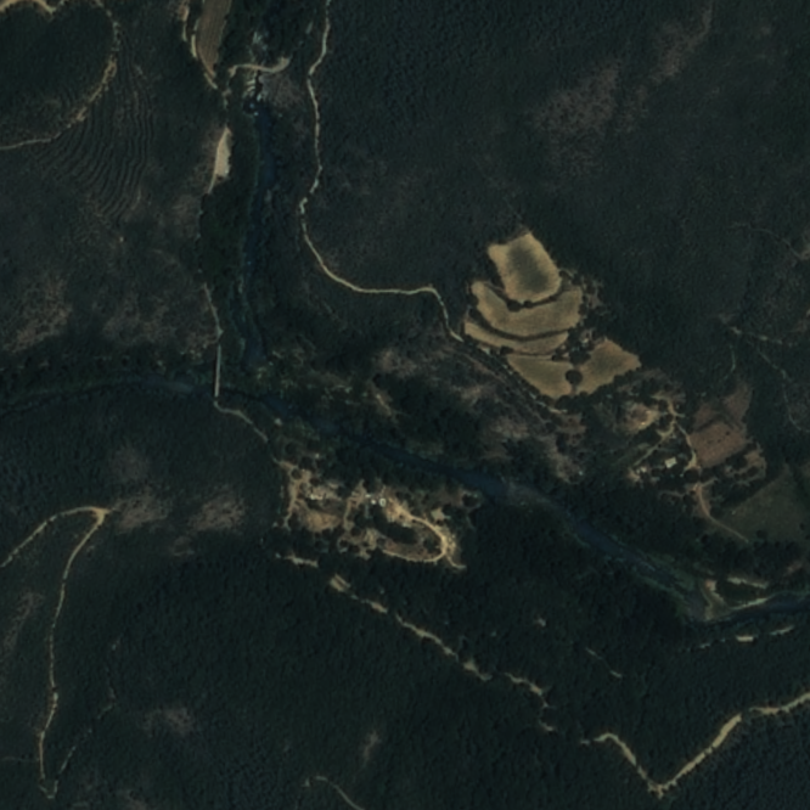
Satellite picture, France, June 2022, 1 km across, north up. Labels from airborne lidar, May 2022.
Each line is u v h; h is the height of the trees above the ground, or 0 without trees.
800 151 6
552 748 21
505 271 0
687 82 6
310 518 0
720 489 11
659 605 28
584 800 15
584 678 17
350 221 7
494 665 15
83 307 7
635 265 10
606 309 8
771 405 6
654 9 9
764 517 0
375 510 12
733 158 6
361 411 8
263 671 12
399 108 14
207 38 0
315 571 20
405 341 6
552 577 20
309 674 12
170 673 11
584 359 12
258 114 0
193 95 12
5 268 8
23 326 7
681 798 8
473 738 12
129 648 9
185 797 10
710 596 0
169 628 12
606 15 13
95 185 8
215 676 10
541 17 15
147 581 16
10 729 6
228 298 12
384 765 9
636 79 6
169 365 10
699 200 6
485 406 11
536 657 15
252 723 9
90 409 9
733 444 0
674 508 11
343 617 16
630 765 9
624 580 24
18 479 15
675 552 10
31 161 9
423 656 11
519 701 16
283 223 7
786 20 8
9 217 8
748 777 20
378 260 6
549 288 0
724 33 6
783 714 13
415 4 16
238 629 13
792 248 6
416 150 6
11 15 8
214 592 15
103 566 6
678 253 9
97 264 6
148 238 8
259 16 6
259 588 17
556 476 10
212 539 10
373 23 10
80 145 9
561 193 7
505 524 33
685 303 7
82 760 7
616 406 7
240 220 15
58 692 17
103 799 9
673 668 11
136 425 11
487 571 21
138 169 7
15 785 8
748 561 14
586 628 16
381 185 6
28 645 8
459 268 7
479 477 0
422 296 9
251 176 20
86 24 6
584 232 9
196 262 15
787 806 22
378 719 6
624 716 12
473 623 22
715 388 10
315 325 15
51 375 22
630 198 7
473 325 0
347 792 13
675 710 16
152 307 9
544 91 7
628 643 16
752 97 8
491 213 6
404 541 6
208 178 9
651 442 11
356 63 9
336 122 11
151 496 5
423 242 7
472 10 12
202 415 9
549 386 0
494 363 9
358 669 12
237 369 19
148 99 7
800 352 7
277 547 14
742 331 7
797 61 11
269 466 9
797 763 19
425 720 17
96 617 10
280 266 11
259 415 19
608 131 7
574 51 9
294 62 6
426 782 11
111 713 9
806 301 9
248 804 16
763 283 8
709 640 10
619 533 8
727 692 12
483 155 6
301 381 5
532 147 7
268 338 7
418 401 27
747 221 6
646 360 14
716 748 8
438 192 9
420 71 15
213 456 6
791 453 14
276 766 10
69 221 7
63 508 7
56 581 6
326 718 12
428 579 21
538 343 0
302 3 16
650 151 7
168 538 6
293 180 9
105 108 8
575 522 0
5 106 8
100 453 9
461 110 6
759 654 12
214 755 7
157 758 7
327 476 13
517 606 16
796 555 16
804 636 13
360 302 8
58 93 8
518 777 18
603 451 9
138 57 10
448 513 19
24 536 6
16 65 8
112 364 21
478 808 20
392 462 6
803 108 9
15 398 27
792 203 7
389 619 16
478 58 11
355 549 12
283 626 15
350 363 23
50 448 6
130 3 8
